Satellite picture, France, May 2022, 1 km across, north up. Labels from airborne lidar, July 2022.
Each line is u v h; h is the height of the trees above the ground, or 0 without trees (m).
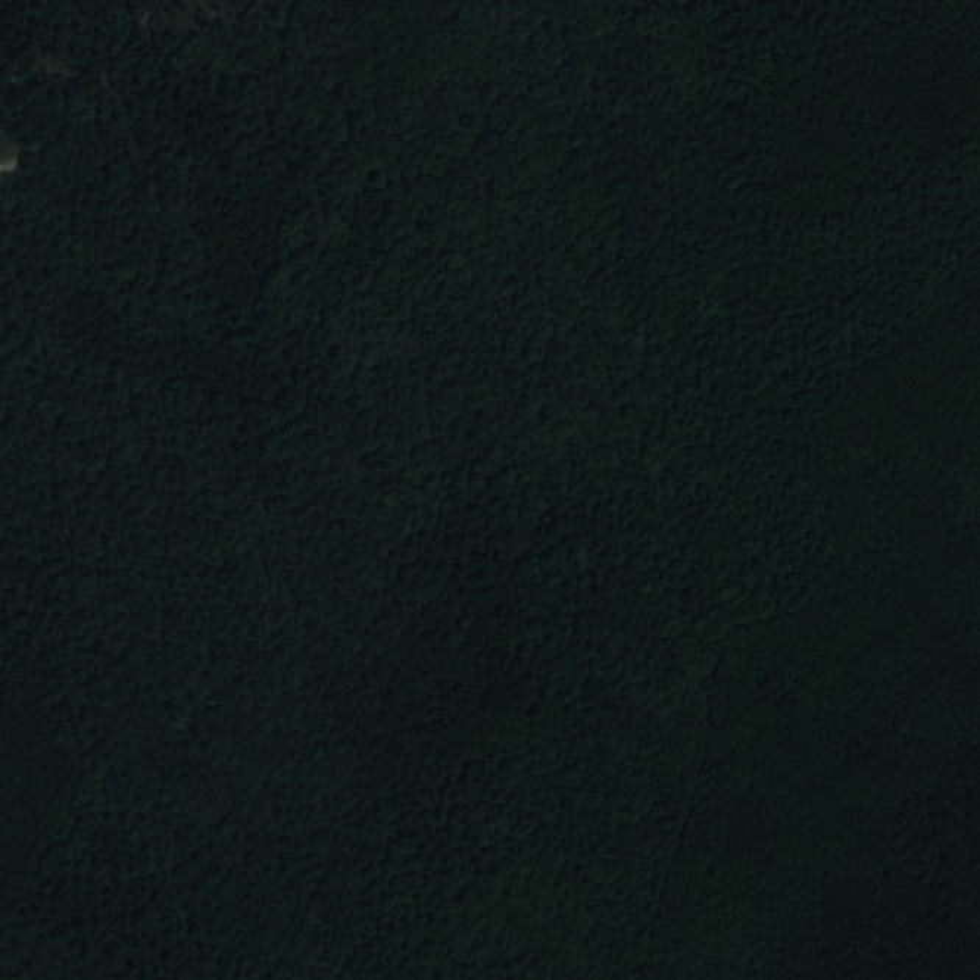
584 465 17
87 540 17
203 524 24
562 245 13
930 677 18
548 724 14
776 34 18
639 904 18
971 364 16
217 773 19
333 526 20
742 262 11
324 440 19
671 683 17
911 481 14
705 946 13
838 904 18
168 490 18
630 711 18
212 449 19
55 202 23
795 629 18
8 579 24
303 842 15
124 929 17
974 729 16
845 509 12
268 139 15
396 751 19
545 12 19
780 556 17
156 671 22
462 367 18
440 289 21
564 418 21
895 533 16
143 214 23
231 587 25
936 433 16
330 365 23
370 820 18
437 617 19
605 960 18
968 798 24
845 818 16
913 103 10
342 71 23
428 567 18
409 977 16
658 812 21
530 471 21
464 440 14
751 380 17
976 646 14
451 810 20
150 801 14
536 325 22
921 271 19
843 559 16
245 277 11
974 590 18
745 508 20
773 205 17
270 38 18
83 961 13
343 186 25
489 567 26
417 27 23
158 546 16
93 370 22
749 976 14
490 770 9
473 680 14
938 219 15
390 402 19
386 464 28
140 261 21
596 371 21
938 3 12
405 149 22
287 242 25
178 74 26
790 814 13
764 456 18
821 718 19
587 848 16
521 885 14
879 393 20
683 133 9
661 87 17
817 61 16
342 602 16
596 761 16
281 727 14
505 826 16
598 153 16
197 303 15
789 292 13
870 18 19
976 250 11
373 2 22
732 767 15
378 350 20
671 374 15
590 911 19
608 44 18
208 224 11
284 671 15
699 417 15
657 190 22
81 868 18
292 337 21
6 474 15
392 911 15
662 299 14
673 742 15
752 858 19
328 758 11
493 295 20
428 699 18
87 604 16
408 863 18
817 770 15
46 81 9
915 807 21
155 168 21
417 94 21
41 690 20
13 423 19
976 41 12
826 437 17
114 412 23
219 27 17
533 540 13
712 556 17
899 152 8
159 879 20
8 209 15
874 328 18
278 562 15
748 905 11
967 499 19
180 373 9
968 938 13
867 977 24
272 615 15
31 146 25
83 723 19
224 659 19
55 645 16
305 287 14
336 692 12
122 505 18
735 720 16
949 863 22
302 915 15
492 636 14
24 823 10
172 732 17
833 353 13
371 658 14
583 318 20
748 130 17
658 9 19
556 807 16
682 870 14
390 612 19
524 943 11
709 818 18
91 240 19
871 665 14
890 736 19
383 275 15
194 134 14
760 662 16
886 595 17
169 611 16
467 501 10
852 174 10
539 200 18
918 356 17
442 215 24
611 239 16
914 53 10
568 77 25
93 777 18
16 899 13
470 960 13
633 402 20
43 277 20
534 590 13
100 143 24
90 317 14
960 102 11
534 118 23
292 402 21
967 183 13
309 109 21
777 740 13
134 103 14
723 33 12
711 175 13
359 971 17
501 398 15
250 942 20
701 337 17
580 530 21
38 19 12
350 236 11
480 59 20
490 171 21
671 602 19
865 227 19
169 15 23
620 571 17
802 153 12
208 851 11
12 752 12
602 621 16
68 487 21
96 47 19
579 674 21
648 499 18
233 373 11
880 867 19
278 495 8
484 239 15
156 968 15
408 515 20
